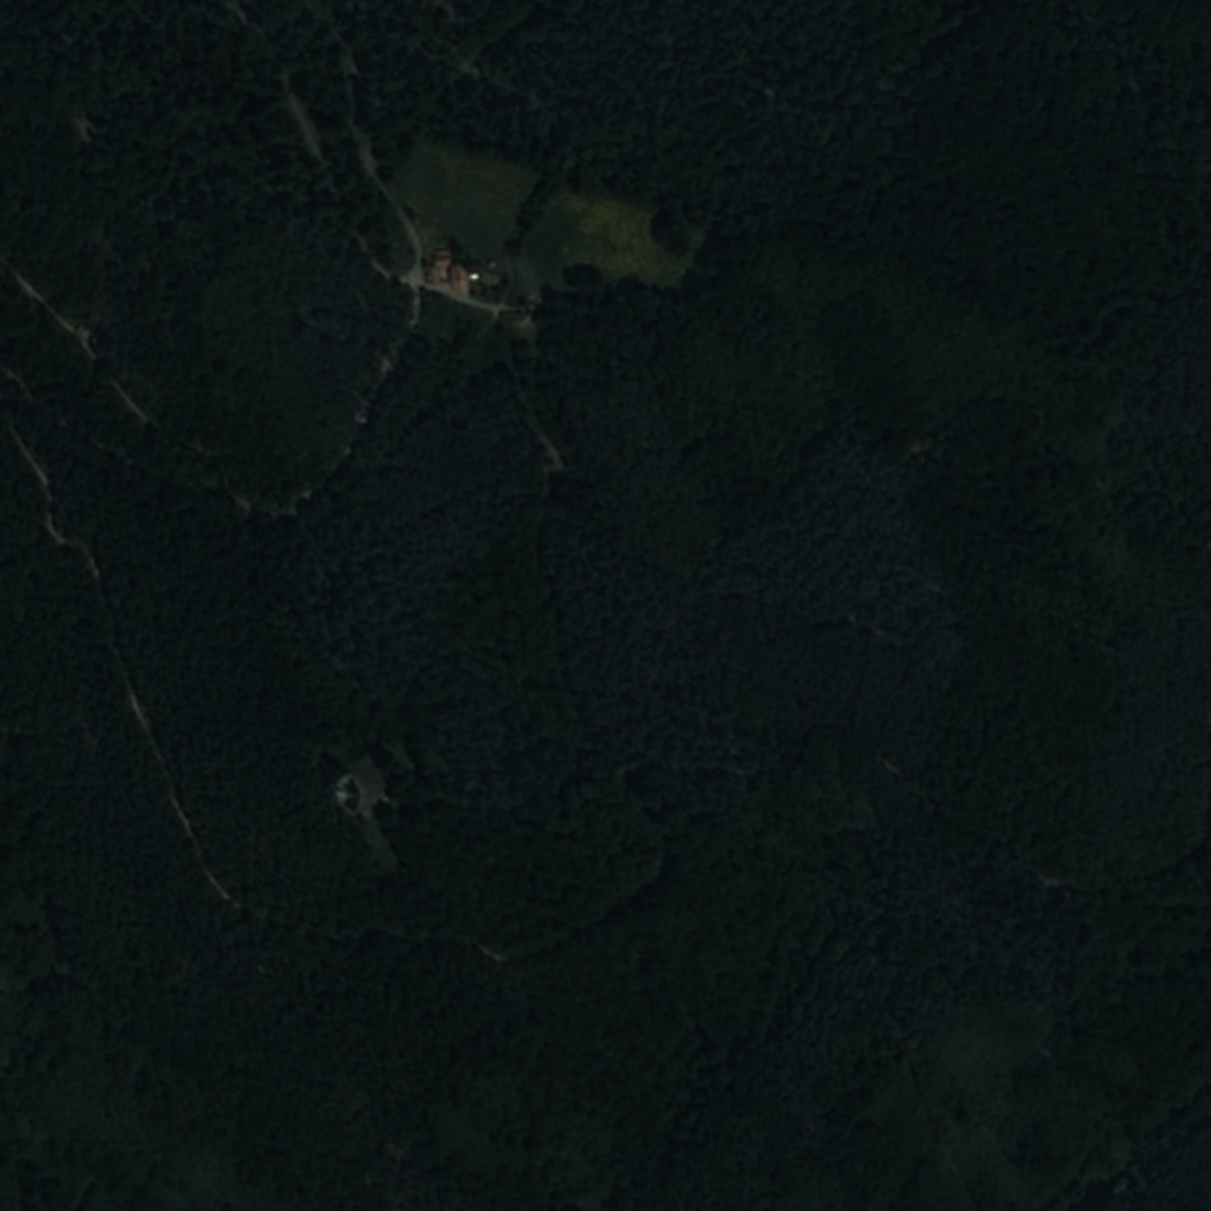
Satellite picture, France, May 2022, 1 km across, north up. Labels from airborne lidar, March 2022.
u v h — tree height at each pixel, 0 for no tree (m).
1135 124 32
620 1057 18
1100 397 30
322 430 19
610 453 24
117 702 19
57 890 30
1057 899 21
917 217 32
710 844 32
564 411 22
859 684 26
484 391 32
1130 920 29
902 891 25
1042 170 30
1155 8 30
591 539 26
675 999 26
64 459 22
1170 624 17
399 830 25
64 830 22
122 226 16
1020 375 15
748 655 24
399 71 27
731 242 26
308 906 17
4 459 20
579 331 19
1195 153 26
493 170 0
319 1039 19
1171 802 21
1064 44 27
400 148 18
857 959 24
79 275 12
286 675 19
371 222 18
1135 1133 20
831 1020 19
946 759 24
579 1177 16
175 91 12
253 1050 23
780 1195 12
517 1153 23
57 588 25
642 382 16
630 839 27
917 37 28
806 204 31
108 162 22
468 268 19
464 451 29
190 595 19
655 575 26
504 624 20
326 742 20
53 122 17
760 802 22
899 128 32
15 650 23
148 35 34
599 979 22
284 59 27
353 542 28
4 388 19
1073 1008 26
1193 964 29
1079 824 20
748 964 26
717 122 30
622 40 35
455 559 31
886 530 28
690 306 22
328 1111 10
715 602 24
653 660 32
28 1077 29
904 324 18
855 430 24
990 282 30
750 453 17
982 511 19
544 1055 21
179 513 27
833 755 26
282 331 26
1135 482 24
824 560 30
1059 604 22
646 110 41
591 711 38
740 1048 24
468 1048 27
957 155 33
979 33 33
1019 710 25
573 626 30
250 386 16
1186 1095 19
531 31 34
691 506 23
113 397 14
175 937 14
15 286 18
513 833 23
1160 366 27
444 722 32
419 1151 16
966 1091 14
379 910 20
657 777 36
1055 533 23
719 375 21
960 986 21
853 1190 10
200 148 28
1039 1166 26
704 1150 25
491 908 16
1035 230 29
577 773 25
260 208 26
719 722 35
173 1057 26
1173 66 32
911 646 33
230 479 19
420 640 31
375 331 27
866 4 28
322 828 24
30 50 21
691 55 34
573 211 0
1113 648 24
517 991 17
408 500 29
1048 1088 19
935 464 22
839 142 32
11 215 22
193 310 21
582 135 31
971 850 27
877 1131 18
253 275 23
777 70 18
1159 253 30
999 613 22
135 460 24
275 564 21
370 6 30
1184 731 25
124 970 26
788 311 18
